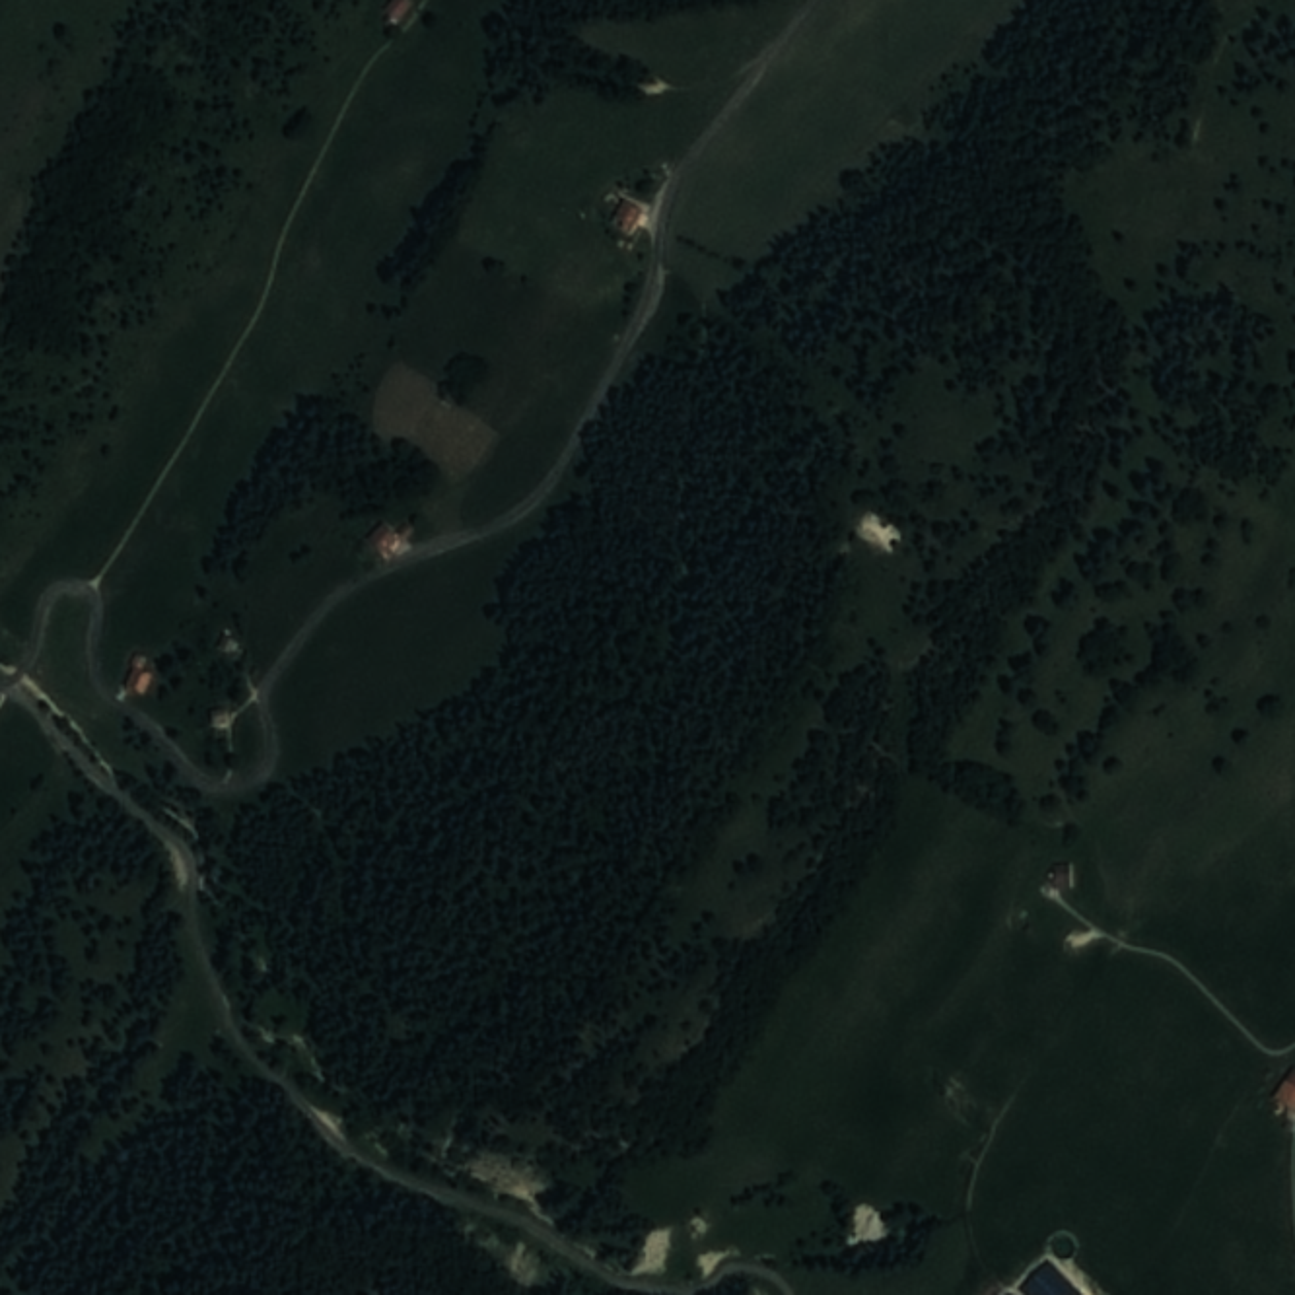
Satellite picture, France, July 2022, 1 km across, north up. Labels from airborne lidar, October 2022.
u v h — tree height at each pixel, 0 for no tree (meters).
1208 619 0
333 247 0
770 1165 0
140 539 0
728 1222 0
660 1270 0
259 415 0
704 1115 16
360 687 0
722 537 16
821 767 9
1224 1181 0
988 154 22
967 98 8
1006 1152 0
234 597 0
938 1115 0
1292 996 0
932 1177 0
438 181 0
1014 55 16
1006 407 7
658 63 0
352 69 0
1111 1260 0
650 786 18
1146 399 0
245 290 0
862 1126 0
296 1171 14
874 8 0
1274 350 0
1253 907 0
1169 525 12
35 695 0
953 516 0
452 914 21
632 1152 10
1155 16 18
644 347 0
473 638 0
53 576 0
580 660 22
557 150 0
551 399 0
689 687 13
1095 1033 0
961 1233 0
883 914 0
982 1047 0
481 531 0
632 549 19
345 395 7
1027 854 0
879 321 24
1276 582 0
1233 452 19
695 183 0
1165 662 16
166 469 0
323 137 0
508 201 0
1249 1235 0
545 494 0
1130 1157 0
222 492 0
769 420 18
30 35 0
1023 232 15
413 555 0
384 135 0
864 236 14
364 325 0
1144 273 0
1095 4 22
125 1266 26
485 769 20
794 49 0
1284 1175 0
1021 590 19
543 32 8
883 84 0
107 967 0
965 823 0
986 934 0
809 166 0
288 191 0
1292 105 0
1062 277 21
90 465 0
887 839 14
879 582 0
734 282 0
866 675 12
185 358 0
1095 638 13
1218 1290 0
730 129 0
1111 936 0
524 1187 0
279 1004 0
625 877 18
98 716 0
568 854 17
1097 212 0
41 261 17
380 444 13
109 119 15
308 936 9
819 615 14
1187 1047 0
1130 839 0
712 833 19
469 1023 13
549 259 0
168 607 0
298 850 11
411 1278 24
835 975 0
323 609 0
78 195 22
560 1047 15
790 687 13
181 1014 0
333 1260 23
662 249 0
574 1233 20
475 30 0
